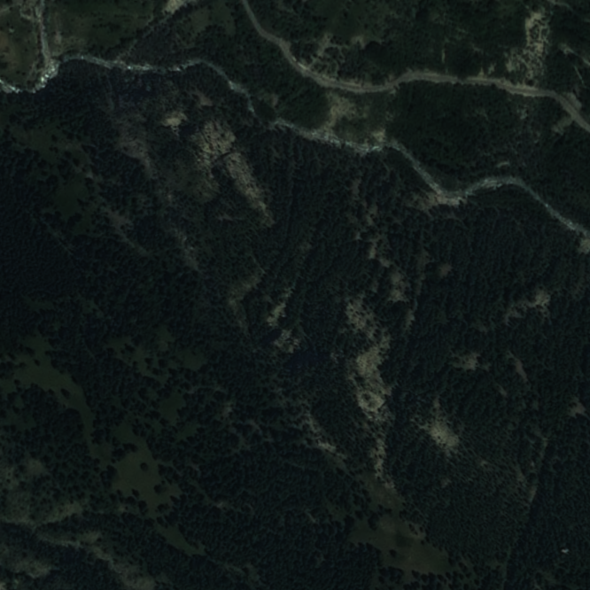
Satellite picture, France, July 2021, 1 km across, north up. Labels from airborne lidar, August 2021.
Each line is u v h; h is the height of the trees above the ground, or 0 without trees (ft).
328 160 72
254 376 43
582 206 21
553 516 62
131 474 0
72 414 66
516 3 22
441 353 85
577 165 41
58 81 22
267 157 21
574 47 24
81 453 64
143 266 27
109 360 90
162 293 60
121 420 60
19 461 47
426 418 38
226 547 59
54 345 63
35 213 40
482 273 72
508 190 41
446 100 40
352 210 35
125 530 22
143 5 34
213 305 36
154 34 23
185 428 23
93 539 0
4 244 73
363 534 0
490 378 77
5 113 0
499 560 65
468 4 36
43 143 0
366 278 57
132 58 26
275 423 67
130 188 71
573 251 21
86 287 77
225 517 43
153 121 38
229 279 18
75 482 57
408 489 58
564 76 43
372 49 63
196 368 0
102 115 63
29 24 0
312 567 82
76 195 0
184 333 75
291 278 38
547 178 43
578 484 71
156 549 73
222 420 22
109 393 67
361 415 50
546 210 24
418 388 77
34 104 32
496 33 32
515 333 54
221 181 69
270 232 63
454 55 19
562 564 45
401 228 29
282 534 73
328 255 60
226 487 55
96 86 38
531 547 91
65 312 65
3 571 82
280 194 93
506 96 43
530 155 40
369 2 26
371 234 30
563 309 63
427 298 80
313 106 23
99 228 27
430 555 0
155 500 0
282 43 0
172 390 72
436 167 27
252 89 26
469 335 73
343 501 62
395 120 19
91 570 62
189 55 35
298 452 74
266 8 27
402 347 71
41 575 0
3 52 0
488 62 34
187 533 57
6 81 25
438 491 50
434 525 64
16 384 31
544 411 58
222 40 42
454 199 0
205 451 53
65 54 23
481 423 82
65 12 0
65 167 56
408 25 27
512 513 54
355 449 37
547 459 26
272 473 45
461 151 41
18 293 88
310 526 51
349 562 96
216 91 52
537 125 27
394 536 0
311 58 27
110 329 44
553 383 38
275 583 65
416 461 64
